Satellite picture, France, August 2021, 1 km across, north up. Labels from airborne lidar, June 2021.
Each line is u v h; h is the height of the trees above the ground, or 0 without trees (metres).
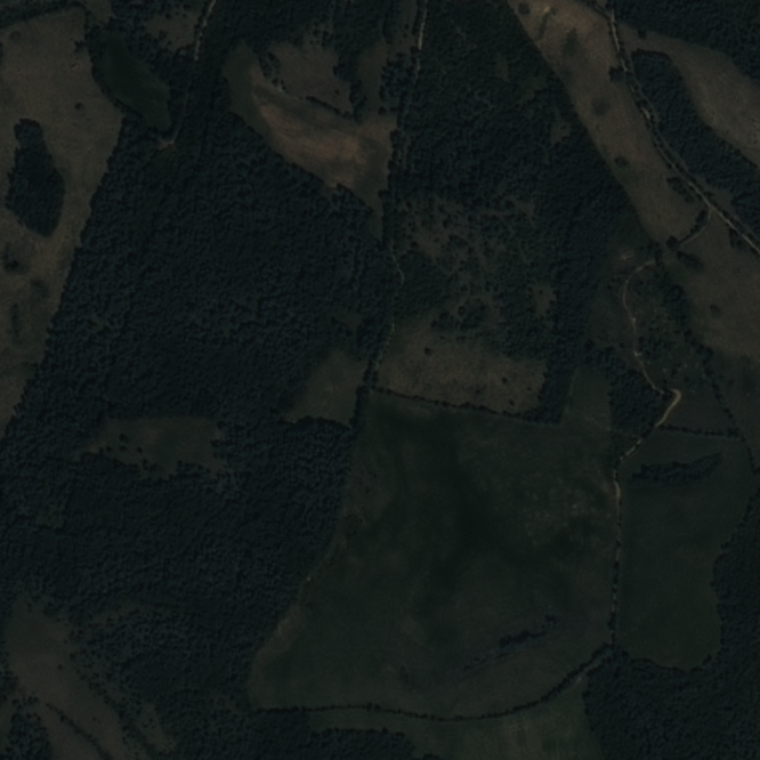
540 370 0
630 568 0
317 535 15
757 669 10
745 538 10
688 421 0
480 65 6
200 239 14
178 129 8
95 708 0
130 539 9
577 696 0
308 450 16
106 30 9
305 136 0
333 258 11
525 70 5
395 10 14
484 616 0
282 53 0
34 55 0
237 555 16
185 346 14
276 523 17
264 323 10
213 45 7
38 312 0
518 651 0
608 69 0
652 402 13
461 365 0
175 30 0
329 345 13
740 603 13
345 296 12
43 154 13
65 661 0
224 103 15
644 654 0
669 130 13
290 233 12
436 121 7
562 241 7
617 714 17
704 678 10
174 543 12
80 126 0
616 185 6
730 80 0
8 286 0
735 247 9
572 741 0
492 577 0
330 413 0
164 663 14
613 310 0
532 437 0
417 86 7
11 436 9
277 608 12
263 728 8
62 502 7
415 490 0
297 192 11
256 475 13
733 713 12
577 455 0
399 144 10
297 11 11
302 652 0
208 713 5
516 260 7
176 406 18
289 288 12
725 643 12
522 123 7
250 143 14
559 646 0
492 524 0
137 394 16
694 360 0
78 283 14
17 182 13
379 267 19
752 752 9
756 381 0
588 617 0
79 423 16
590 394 0
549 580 0
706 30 6
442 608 0
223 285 11
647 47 0
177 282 15
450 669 0
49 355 6
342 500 14
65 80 0
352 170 0
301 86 0
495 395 0
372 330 16
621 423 8
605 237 13
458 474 0
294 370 16
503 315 7
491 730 0
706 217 8
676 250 13
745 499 0
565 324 10
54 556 10
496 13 6
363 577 0
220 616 10
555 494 0
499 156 15
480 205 12
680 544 0
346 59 10
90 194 0
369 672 0
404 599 0
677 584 0
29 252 0
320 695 0
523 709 8
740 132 0
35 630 0
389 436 0
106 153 0
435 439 0
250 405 17
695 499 0
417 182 16
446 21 8
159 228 16
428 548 0
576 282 16
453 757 0
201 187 17
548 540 0
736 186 14
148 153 11
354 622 0
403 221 7
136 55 11
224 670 11
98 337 14
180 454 0
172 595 11
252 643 9
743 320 0
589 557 0
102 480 12
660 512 0
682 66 0
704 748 11
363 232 17
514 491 0
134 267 17
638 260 0
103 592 6
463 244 8
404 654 0
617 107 0
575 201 9
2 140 0
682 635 0
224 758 9
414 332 0
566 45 0
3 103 0
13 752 7
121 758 0
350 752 11
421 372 0
